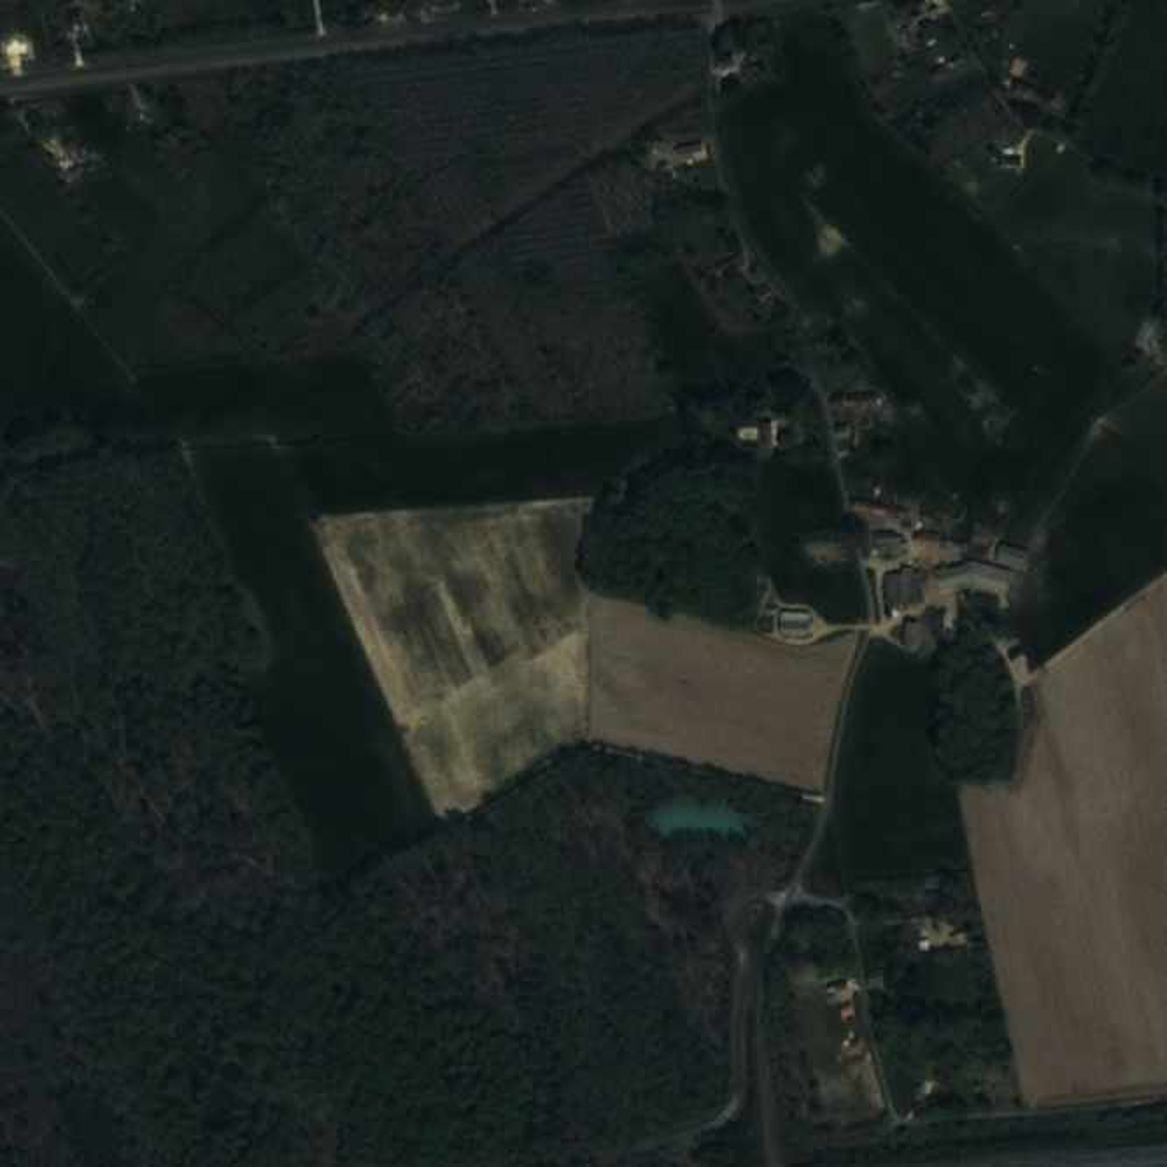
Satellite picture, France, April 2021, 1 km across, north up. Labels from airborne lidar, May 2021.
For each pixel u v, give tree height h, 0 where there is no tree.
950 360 0
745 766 0
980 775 20
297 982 27
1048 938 0
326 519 0
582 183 20
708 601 27
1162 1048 0
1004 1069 14
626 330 14
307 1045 23
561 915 25
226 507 0
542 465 0
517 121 21
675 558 27
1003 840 0
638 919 23
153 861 17
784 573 0
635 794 21
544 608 0
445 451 0
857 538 21
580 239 21
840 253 0
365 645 0
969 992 0
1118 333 0
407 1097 29
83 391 0
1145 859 0
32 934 13
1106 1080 0
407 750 0
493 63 22
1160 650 0
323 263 10
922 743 0
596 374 11
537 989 25
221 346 0
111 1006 23
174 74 0
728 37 10
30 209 0
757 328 8
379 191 9
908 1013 14
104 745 17
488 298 17
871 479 10
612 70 22
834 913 10
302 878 16
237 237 0
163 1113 19
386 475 0
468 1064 27
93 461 16
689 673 0
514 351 17
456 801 0
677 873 11
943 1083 20
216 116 0
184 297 0
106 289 0
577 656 0
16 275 0
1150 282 0
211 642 17
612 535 26
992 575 0
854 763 0
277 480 0
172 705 14
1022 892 0
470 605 0
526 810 18
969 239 0
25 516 25
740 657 0
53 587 18
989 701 27
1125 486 0
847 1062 0
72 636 17
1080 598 0
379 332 12
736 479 28
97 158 0
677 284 0
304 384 0
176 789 14
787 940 10
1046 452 0
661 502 27
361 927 29
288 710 0
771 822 19
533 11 0
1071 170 0
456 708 0
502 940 18
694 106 19
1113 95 0
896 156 0
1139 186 15
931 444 0
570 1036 21
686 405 14
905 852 0
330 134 12
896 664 0
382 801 0
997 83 10
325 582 0
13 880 17
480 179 18
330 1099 21
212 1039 6
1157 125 0
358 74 17
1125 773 0
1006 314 0
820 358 0
